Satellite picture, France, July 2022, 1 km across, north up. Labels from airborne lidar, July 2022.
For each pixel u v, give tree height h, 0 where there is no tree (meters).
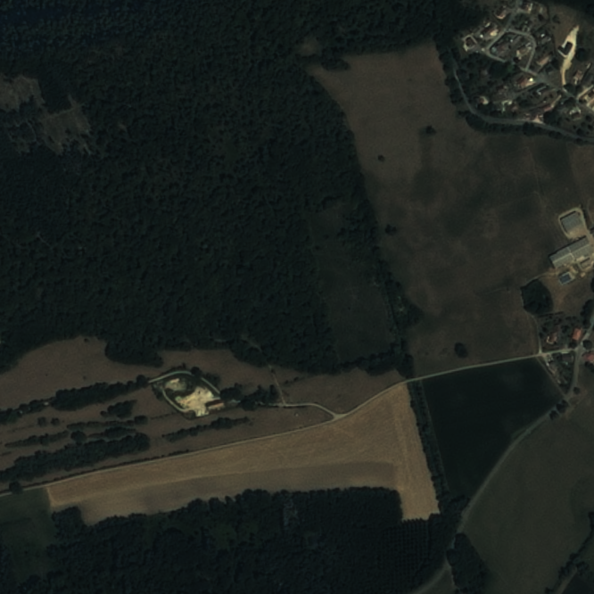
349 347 0
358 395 0
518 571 0
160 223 26
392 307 10
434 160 0
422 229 0
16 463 7
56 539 10
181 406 0
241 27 15
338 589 20
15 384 0
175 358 0
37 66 14
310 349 21
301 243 20
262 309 20
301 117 7
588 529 0
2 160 19
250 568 22
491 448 0
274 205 24
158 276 20
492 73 16
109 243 21
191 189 18
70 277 23
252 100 18
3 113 20
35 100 20
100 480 0
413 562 19
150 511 0
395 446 0
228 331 22
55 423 14
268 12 18
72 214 21
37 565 0
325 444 0
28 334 22
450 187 0
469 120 16
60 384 0
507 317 0
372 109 0
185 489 0
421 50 0
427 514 0
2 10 22
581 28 0
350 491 13
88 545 13
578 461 0
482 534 0
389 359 23
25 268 19
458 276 0
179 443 0
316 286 21
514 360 0
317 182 18
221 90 22
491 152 0
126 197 18
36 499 0
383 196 0
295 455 0
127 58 19
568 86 11
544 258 0
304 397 0
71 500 0
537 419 0
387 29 19
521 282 0
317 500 18
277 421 0
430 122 0
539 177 0
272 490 0
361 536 17
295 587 26
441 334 0
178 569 27
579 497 0
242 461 0
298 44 16
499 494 0
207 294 20
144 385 16
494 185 0
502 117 10
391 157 0
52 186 17
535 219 0
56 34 18
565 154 0
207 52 19
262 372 0
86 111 21
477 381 0
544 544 0
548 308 7
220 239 17
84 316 24
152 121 22
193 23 19
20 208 15
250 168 24
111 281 20
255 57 17
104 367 0
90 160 13
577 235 0
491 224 0
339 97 0
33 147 18
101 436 7
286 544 14
